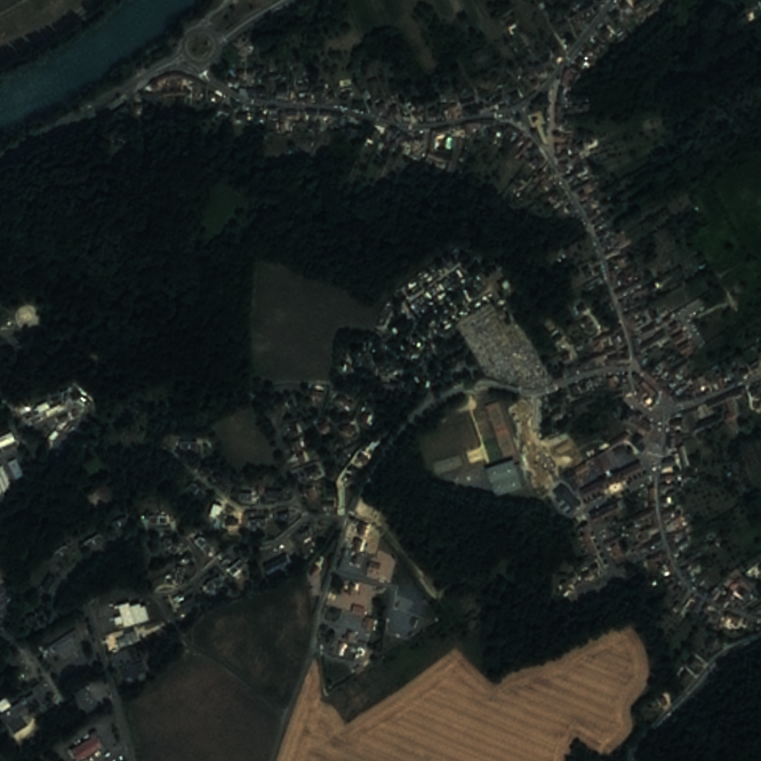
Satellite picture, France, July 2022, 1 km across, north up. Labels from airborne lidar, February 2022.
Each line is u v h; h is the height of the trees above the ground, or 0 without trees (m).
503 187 0
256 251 19
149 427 7
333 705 0
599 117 7
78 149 9
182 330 25
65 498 26
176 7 0
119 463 12
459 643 0
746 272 0
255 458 0
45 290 25
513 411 0
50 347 22
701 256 12
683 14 0
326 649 0
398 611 0
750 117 12
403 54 9
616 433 0
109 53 0
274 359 0
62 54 0
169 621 0
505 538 19
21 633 13
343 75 0
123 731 0
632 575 6
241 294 20
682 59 23
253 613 0
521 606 23
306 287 0
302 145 0
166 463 16
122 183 20
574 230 10
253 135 19
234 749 0
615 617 18
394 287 20
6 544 21
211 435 15
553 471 0
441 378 7
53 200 21
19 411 0
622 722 0
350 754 0
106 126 17
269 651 0
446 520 14
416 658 0
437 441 0
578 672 0
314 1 11
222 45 0
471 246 17
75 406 0
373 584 0
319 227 20
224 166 11
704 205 0
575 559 8
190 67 0
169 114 14
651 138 0
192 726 0
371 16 0
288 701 0
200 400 21
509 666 19
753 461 0
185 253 17
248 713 0
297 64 8
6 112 0
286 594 0
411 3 0
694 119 17
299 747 0
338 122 0
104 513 17
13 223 17
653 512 0
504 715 0
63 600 18
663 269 0
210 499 9
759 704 18
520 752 0
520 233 25
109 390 23
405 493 15
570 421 14
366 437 7
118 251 20
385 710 0
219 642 0
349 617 0
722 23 19
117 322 25
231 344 24
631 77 9
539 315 17
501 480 0
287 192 20
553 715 0
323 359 0
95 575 19
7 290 21
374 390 12
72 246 19
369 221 19
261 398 20
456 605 0
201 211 6
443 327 18
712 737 21
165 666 12
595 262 7
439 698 0
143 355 28
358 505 0
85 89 10
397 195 22
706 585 0
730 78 35
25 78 0
